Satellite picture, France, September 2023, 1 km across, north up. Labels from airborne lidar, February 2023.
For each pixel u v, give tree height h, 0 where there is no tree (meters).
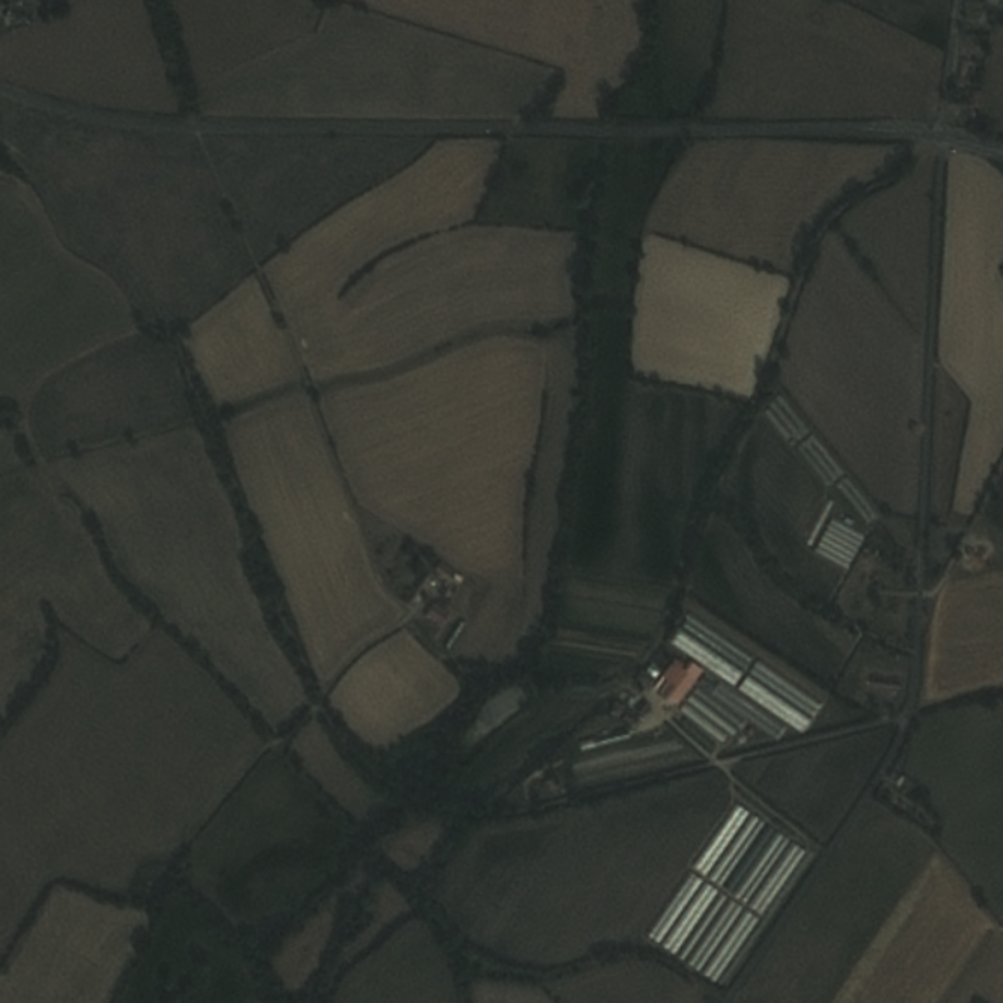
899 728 0
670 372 0
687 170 0
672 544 0
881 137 0
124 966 0
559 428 0
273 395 0
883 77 0
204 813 0
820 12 0
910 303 0
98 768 0
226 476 11
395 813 21
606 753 0
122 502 0
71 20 0
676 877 0
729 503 8
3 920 0
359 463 0
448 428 0
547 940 0
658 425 0
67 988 0
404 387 0
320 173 0
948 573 0
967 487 0
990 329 0
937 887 0
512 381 0
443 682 0
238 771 0
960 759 0
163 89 0
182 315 0
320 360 0
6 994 0
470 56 0
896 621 0
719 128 0
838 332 0
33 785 0
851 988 0
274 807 0
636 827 0
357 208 0
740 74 0
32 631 0
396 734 0
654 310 0
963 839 0
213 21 0
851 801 0
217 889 0
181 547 0
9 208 0
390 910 0
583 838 0
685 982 7
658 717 0
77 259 0
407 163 0
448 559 0
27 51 0
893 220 0
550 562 9
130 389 0
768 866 0
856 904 0
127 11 0
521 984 10
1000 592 0
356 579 0
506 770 0
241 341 0
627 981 0
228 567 0
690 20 0
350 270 0
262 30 0
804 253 18
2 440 0
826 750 0
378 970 0
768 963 0
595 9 0
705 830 0
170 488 0
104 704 0
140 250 0
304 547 0
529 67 0
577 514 0
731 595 0
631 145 0
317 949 0
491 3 0
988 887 0
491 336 0
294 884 0
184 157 0
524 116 11
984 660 0
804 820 0
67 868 0
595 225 16
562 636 0
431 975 0
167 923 0
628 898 0
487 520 0
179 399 0
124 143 0
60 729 0
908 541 0
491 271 0
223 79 0
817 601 8
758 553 10
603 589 0
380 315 0
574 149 0
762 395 12
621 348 0
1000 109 0
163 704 0
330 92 0
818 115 0
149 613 11
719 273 0
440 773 15
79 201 0
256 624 0
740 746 0
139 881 0
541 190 0
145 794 0
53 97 0
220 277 0
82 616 0
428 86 0
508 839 0
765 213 0
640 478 0
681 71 0
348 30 0
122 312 0
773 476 0
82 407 0
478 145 0
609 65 0
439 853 13
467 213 0
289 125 0
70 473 0
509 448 0
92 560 0
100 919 0
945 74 0
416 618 0
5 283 0
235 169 0
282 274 0
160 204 0
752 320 0
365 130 0
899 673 0
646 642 0
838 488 0
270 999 18
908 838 0
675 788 0
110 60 0
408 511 0
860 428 0
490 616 0
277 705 0
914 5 0
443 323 0
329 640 0
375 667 0
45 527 0
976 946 0
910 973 0
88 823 0
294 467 0
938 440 0
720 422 0
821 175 0
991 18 7
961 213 0
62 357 0
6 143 0
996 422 0
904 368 0
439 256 0
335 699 0
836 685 8
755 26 0
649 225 0
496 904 0
